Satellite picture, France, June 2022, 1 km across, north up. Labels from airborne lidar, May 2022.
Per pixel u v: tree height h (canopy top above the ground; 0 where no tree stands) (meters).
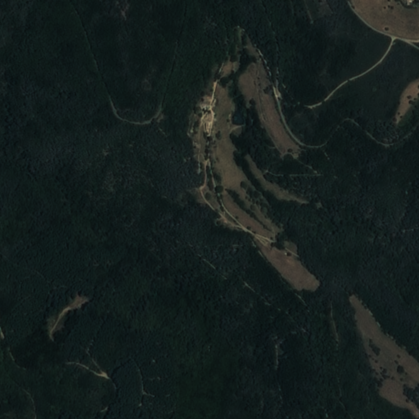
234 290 17
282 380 15
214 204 0
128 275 19
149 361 15
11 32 19
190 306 10
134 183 8
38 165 21
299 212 21
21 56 18
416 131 12
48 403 9
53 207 19
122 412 30
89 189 14
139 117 13
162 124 8
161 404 14
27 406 10
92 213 18
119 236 12
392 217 7
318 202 22
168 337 13
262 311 7
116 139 10
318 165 16
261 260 10
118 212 9
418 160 17
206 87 9
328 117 8
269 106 0
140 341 9
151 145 12
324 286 10
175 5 15
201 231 15
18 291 13
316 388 14
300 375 20
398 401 0
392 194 10
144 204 12
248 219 0
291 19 9
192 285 21
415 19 0
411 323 13
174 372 15
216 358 11
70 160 12
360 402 5
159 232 8
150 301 21
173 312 12
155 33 13
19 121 23
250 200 6
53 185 20
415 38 0
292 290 6
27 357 14
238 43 8
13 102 23
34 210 21
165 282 8
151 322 17
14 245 10
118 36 14
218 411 5
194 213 12
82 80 17
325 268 17
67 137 15
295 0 9
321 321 11
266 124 0
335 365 12
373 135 7
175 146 10
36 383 7
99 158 10
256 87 0
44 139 13
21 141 21
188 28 15
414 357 6
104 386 10
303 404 16
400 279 16
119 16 14
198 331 22
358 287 12
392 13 0
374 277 17
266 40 17
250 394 16
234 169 0
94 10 16
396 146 11
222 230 9
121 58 14
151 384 16
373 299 13
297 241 11
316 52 10
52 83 19
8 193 18
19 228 22
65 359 8
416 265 13
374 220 15
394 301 17
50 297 25
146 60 13
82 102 16
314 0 9
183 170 14
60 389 11
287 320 16
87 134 17
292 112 7
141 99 11
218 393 6
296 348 21
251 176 13
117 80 14
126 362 6
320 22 10
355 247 15
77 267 16
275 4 11
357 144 13
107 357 6
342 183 13
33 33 18
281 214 13
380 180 12
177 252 13
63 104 18
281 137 0
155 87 12
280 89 9
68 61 16
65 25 17
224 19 14
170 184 16
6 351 10
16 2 16
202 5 14
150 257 16
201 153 0
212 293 17
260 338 14
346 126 18
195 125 8
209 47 19
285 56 10
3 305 13
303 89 11
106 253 15
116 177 8
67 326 17
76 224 16
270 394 12
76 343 12
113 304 13
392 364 0
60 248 18
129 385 25
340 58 7
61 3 15
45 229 8
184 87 20
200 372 17
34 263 11
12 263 11
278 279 15
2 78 11
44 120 23
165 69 13
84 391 7
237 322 20
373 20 0
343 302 10
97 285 12
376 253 7
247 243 12
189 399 7
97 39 12
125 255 13
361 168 14
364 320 0
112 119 9
